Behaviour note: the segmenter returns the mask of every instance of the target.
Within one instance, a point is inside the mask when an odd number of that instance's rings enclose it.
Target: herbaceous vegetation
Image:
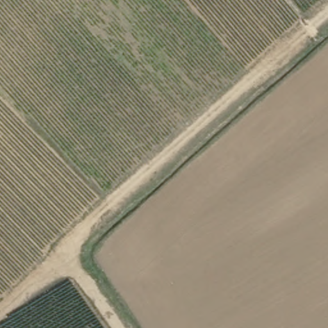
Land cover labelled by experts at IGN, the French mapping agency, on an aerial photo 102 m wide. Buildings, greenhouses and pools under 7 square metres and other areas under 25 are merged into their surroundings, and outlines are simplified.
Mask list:
[[[191,138],[172,160],[152,173],[149,181],[141,184],[136,192],[120,202],[117,210],[106,211],[101,215],[100,222],[92,225],[87,240],[81,246],[79,261],[82,269],[94,279],[96,286],[109,305],[113,306],[126,328],[142,328],[129,310],[126,301],[106,277],[104,270],[97,265],[96,251],[124,220],[131,217],[165,184],[172,181],[196,156],[208,149],[211,143],[217,141],[252,106],[263,100],[275,87],[281,85],[284,79],[306,63],[316,51],[328,44],[328,20],[318,28],[315,36],[307,38],[304,49],[293,56],[286,65],[275,70],[265,82],[251,87],[233,101],[223,113]]]

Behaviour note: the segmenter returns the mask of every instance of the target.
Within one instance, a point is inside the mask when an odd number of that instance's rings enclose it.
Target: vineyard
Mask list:
[[[67,277],[42,288],[35,296],[0,320],[0,328],[111,328],[102,318],[94,300],[86,295],[77,282],[70,282]]]
[[[324,5],[328,4],[328,0],[0,0],[0,302],[8,299],[10,293],[22,284],[29,274],[35,272],[38,266],[50,258],[51,252],[55,251],[60,241],[100,206],[111,192],[122,186],[142,165],[155,158],[225,92],[231,90],[252,69],[258,67],[261,60],[275,50],[279,40],[295,35],[302,26],[305,26],[307,19],[315,17]]]

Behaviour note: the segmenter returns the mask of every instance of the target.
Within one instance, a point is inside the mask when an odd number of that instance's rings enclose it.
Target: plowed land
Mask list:
[[[306,63],[284,79],[281,85],[275,87],[263,100],[252,106],[217,141],[211,143],[208,149],[196,156],[172,181],[165,184],[131,217],[124,220],[96,251],[97,265],[104,270],[106,277],[126,301],[129,310],[142,328],[328,328],[328,44],[316,51]]]

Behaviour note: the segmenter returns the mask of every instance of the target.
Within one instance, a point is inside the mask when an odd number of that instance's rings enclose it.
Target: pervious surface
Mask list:
[[[293,56],[304,49],[307,38],[315,36],[318,28],[328,20],[328,4],[324,5],[315,17],[307,19],[305,26],[302,26],[295,35],[279,40],[275,50],[261,60],[258,67],[252,69],[231,90],[225,92],[155,158],[142,165],[122,186],[111,192],[100,206],[60,241],[55,251],[51,252],[50,258],[38,266],[35,272],[29,274],[22,284],[10,293],[8,299],[0,302],[0,320],[35,296],[42,288],[67,277],[70,282],[77,282],[86,295],[94,300],[102,318],[111,328],[126,328],[113,306],[109,305],[96,286],[94,279],[82,269],[79,261],[81,246],[87,240],[92,225],[100,222],[101,215],[106,211],[117,210],[120,202],[136,192],[141,184],[149,181],[152,173],[172,160],[191,138],[223,113],[233,101],[251,87],[265,82],[275,70],[286,65]]]

